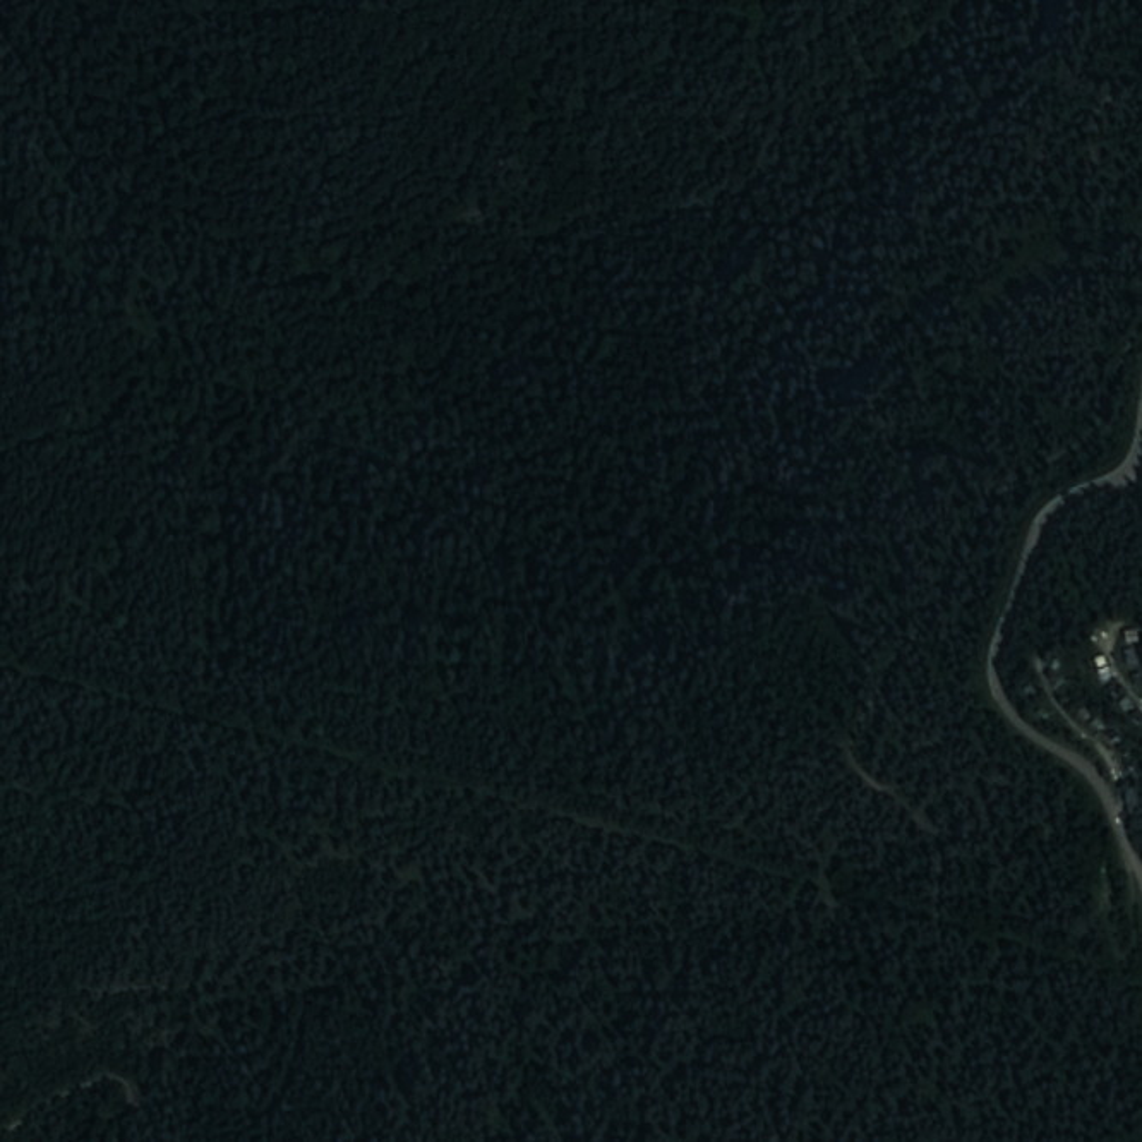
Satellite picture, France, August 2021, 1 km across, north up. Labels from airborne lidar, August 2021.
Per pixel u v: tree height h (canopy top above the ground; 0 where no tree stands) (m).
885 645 25
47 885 12
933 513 25
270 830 7
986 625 9
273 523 29
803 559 12
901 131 23
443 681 14
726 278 15
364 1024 19
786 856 12
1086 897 23
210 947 25
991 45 28
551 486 22
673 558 21
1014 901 14
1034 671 16
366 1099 15
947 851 20
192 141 30
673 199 27
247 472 12
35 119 20
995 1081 14
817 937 18
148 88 7
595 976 17
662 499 23
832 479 12
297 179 19
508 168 24
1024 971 8
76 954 12
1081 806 10
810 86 21
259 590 12
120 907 18
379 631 15
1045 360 9
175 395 19
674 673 12
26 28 17
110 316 11
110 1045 9
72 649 15
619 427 21
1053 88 9
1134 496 7
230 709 18
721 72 15
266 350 10
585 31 22
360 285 15
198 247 25
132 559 26
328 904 12
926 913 6
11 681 24
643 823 14
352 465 30
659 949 11
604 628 19
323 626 13
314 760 17
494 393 18
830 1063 9
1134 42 9
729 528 19
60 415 27
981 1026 28
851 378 7
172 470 11
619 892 7
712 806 8
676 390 19
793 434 20
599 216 13
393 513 24
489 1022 34
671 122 17
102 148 19
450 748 8
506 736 12
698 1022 27
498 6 18
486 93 25
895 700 20
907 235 8
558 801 15
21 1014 20
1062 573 8
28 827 20
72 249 9
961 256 6
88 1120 9
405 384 16
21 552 18
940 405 10
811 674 10
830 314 21
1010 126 30
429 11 22
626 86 20
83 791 19
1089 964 7
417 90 14
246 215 21
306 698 18
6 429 22
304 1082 11
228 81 17
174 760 15
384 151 19
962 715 15
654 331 21
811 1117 26
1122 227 9
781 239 31
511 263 14
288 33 20
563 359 24
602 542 18
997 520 13
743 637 9
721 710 6
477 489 24
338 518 10
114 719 19
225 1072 14
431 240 14
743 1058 27
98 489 21
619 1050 9
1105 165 9
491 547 27
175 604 22
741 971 19
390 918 8
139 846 18
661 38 17
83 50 29
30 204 25
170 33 19
